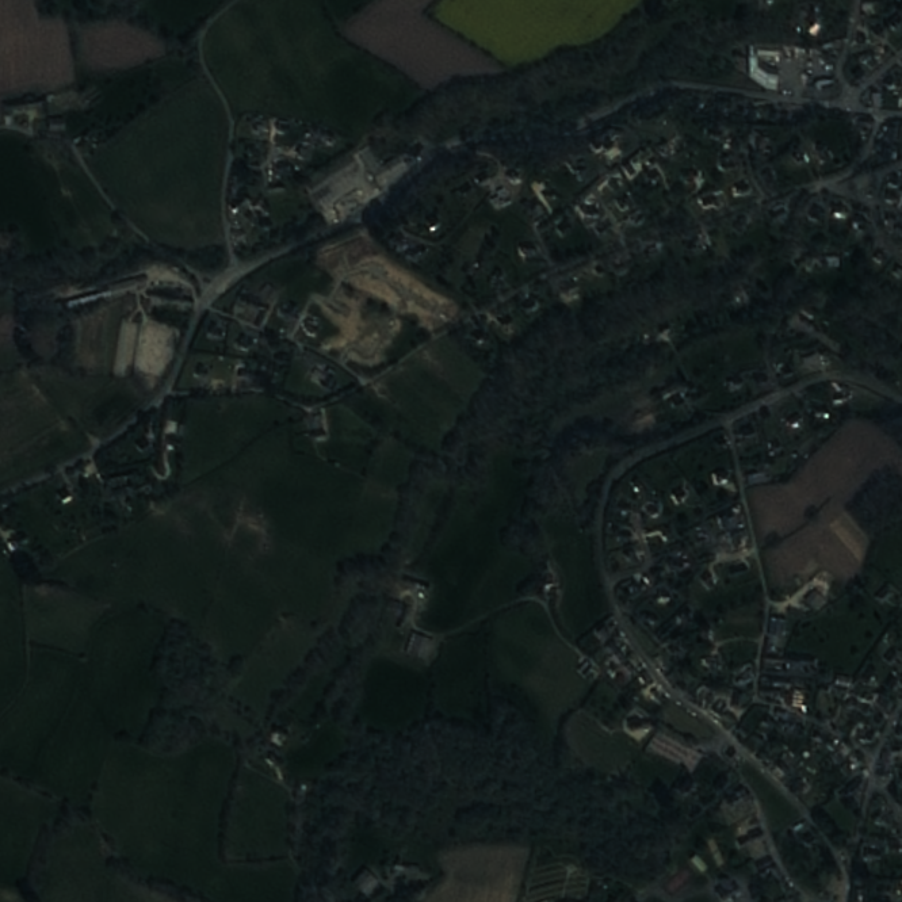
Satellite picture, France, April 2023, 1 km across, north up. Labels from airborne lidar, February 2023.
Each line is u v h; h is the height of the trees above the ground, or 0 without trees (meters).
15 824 0
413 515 12
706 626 14
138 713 0
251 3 0
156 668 8
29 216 0
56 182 0
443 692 0
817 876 7
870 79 0
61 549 0
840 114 9
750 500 0
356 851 0
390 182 0
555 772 12
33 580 6
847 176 0
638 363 13
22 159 0
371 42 0
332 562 0
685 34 17
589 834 8
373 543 0
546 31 0
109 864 6
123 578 0
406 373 0
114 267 16
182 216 0
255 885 0
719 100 17
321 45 0
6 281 18
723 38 12
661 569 6
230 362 0
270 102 0
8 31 0
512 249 0
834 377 0
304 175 9
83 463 8
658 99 18
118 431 0
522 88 18
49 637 0
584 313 16
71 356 13
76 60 11
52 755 0
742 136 8
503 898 0
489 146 19
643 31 12
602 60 16
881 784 0
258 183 8
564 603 0
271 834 0
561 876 0
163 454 11
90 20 14
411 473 9
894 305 16
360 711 0
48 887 0
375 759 15
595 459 0
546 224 10
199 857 0
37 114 0
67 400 0
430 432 0
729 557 0
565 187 0
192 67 10
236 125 0
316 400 7
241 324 0
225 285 0
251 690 0
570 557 0
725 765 8
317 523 0
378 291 0
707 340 18
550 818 14
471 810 7
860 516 14
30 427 0
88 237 0
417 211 12
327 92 0
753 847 0
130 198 0
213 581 0
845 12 6
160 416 9
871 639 8
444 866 0
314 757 0
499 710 16
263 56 0
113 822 0
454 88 18
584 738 0
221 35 0
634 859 12
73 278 6
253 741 9
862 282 15
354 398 9
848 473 0
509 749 8
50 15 24
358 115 0
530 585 8
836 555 0
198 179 0
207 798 0
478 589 0
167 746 18
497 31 0
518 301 8
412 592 0
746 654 0
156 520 0
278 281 0
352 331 0
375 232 16
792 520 0
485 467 8
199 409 0
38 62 0
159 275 0
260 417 0
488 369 12
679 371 0
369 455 8
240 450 0
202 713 23
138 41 0
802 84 0
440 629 0
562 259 10
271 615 0
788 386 0
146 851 0
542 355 24
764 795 0
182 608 0
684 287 21
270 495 0
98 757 0
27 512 0
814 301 15
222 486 0
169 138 0
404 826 14
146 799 0
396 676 0
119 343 0
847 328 13
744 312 6
